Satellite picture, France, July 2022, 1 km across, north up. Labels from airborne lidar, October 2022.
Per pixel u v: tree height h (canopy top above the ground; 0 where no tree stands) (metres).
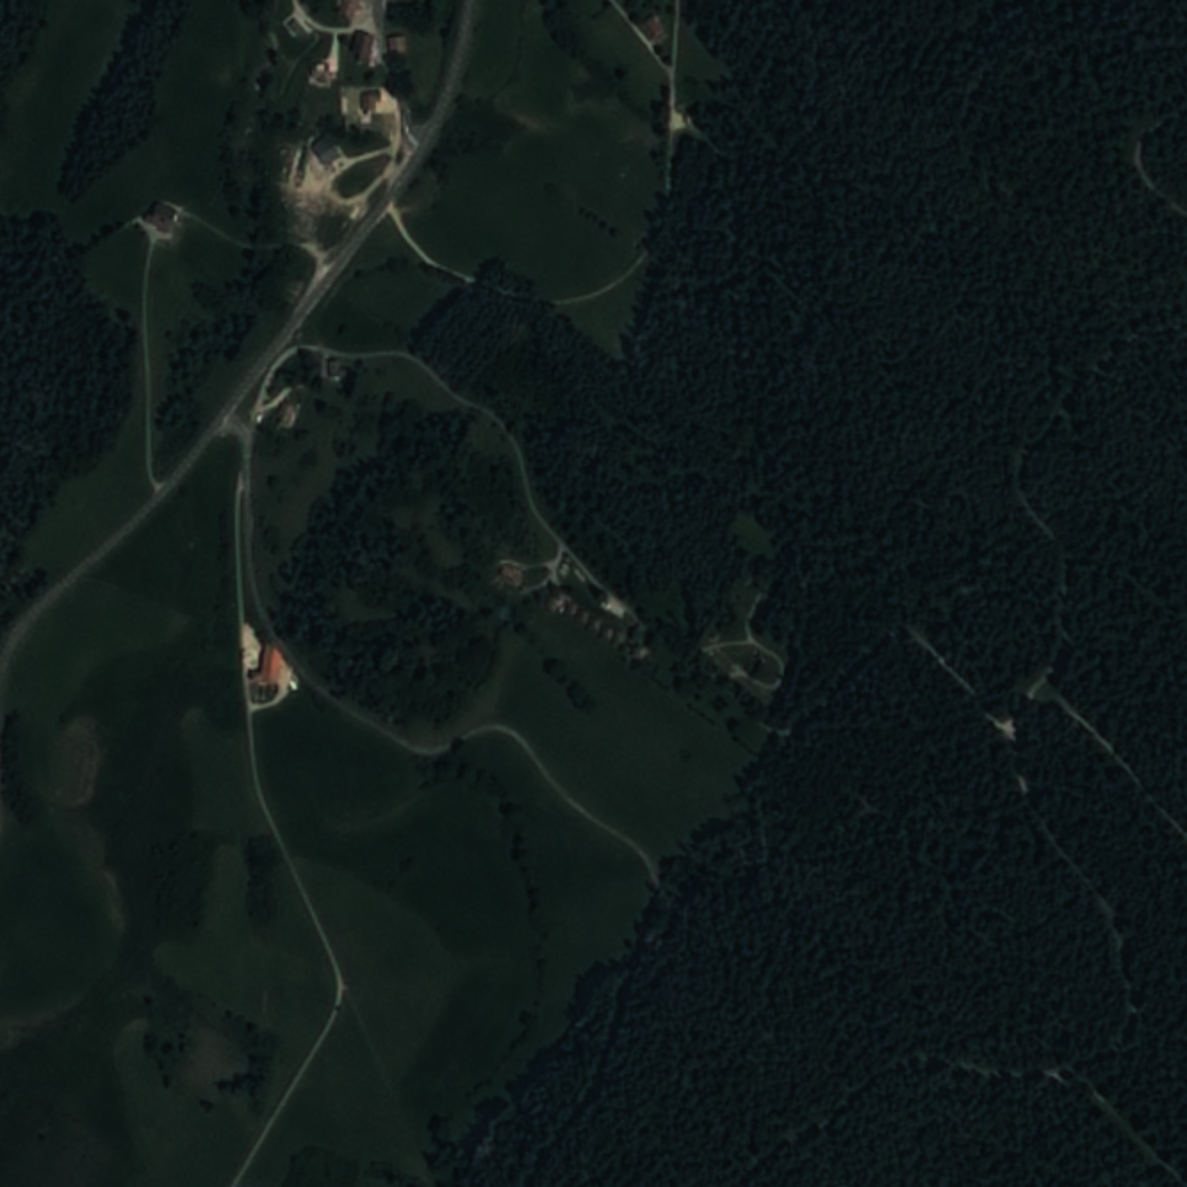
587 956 0
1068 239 16
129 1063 0
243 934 0
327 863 0
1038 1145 17
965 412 26
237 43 0
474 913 0
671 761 0
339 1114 0
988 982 13
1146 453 27
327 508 6
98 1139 0
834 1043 24
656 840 0
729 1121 20
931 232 10
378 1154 0
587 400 20
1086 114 19
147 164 0
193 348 6
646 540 24
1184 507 19
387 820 0
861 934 23
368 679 25
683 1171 17
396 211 0
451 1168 8
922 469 16
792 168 19
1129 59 11
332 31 0
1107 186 14
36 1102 0
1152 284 17
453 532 6
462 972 0
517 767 0
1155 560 27
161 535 0
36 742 0
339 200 0
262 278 15
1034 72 25
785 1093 22
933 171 15
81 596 0
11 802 7
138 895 0
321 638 25
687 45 0
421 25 10
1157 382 24
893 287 21
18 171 0
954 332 20
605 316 0
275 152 0
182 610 0
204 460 0
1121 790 15
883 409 14
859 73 21
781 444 21
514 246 0
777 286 28
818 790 15
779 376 30
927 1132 16
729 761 0
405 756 0
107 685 0
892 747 11
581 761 0
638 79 0
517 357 6
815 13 31
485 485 6
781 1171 10
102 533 0
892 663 11
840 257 23
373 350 0
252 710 0
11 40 30
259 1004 0
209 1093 0
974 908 32
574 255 0
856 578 25
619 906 0
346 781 0
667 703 0
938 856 29
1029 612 23
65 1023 0
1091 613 24
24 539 28
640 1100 22
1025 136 9
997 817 25
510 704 0
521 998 0
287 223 0
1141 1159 16
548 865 0
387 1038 0
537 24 0
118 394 23
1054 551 18
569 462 31
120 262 0
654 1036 21
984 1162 23
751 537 0
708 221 26
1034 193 12
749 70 15
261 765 0
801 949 25
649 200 0
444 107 0
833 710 11
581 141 0
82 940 0
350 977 0
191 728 0
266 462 0
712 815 0
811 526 27
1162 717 22
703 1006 16
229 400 0
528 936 0
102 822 0
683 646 20
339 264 0
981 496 22
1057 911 25
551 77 0
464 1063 0
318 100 0
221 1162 0
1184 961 18
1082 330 22
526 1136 28
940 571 16
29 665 0
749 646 0
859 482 24
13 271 24
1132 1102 20
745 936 25
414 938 0
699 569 25
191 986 0
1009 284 30
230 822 0
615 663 0
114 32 0
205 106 0
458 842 0
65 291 30
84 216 0
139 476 0
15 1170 0
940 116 12
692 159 18
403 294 0
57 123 0
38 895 0
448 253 0
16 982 0
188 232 0
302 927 0
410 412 9
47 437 11
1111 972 24
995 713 31
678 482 16
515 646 0
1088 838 16
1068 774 12
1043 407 25
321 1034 0
